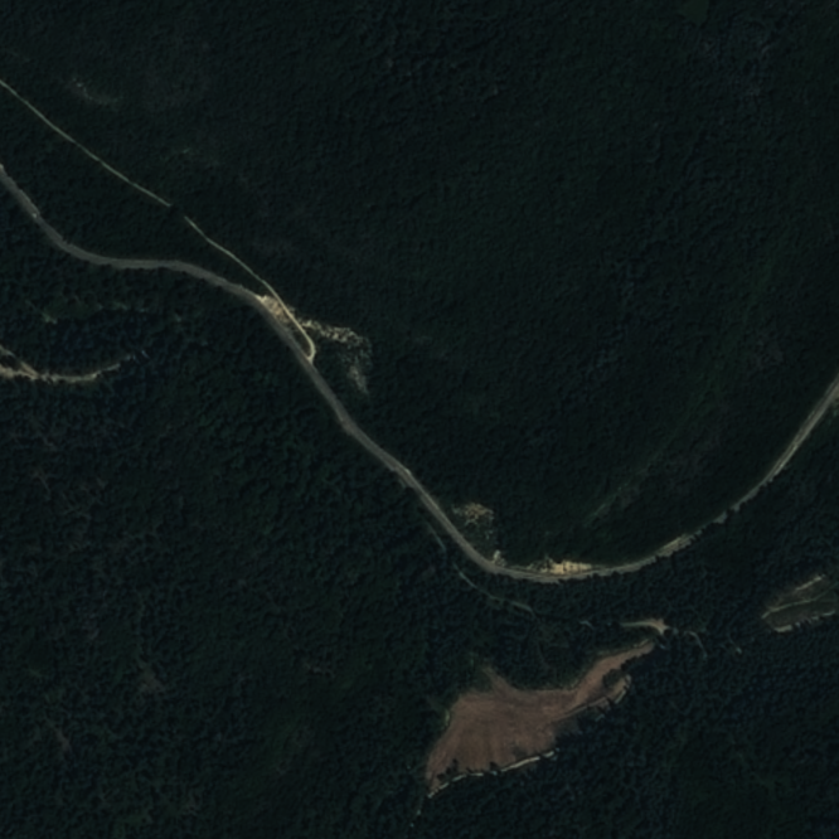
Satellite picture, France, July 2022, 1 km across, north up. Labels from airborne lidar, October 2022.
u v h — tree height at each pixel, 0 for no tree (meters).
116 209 9
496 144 13
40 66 7
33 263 31
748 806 7
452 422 20
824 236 16
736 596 23
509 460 13
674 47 13
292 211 13
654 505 15
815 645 36
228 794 15
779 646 26
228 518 10
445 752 0
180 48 8
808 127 15
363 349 7
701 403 13
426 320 11
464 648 31
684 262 23
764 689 26
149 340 24
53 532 19
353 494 34
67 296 18
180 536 20
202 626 12
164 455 15
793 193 17
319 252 13
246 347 20
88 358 25
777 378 24
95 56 9
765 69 19
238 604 17
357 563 25
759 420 20
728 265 16
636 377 20
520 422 22
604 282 13
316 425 30
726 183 22
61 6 14
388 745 26
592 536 14
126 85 7
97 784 22
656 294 28
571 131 13
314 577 23
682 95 14
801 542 29
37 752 7
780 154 15
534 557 11
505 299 13
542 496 6
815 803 24
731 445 20
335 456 19
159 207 15
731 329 13
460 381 12
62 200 14
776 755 20
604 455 13
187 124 8
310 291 14
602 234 14
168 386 15
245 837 18
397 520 31
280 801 13
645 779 33
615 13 13
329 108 16
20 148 12
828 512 24
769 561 26
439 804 13
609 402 18
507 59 19
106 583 23
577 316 14
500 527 19
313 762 14
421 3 12
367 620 25
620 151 14
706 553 18
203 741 27
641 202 15
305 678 20
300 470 23
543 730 0
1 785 16
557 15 15
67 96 12
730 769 14
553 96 10
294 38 14
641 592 26
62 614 19
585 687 0
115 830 27
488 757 0
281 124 9
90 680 20
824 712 20
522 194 11
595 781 24
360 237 10
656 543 12
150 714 19
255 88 10
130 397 26
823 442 13
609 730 19
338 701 18
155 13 7
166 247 12
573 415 23
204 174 14
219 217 10
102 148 12
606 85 10
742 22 33
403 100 20
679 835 8
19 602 8
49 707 29
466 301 14
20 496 18
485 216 10
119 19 10
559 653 13
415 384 14
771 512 16
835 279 22
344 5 15
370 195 23
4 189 21
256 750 20
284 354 24
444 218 10
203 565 15
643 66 20
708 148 24
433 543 7
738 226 20
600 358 28
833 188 19
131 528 9
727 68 20
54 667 8
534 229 10
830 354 23
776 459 10
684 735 14
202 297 19
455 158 13
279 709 19
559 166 12
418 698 8
